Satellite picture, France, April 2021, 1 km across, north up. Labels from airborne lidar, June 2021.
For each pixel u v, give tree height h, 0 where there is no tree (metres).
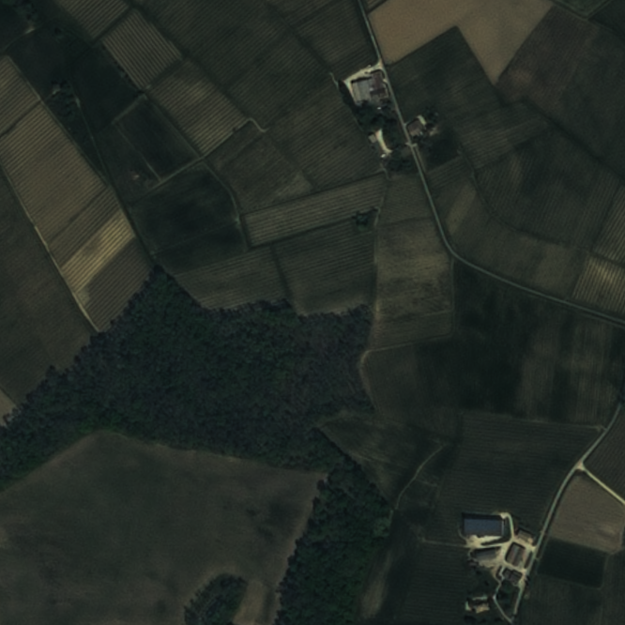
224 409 22
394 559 0
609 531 0
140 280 0
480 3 0
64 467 0
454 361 0
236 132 9
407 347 0
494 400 0
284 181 0
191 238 0
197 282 0
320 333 16
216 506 0
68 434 22
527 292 0
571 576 0
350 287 0
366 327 22
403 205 0
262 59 0
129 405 21
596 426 0
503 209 0
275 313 21
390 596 0
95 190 0
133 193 0
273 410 16
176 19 0
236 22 0
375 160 0
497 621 7
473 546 0
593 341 0
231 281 0
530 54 0
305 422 14
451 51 0
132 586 0
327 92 0
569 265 0
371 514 27
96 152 0
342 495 20
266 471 0
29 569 0
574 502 0
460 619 0
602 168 0
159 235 0
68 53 0
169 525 0
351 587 24
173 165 0
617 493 0
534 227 0
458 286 0
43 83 0
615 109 0
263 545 0
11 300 0
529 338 0
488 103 0
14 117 0
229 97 0
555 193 0
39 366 0
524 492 0
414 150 0
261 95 0
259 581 0
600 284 0
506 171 0
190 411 22
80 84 0
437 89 0
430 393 0
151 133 0
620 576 0
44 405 20
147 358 25
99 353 19
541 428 0
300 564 16
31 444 25
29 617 0
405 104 0
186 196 0
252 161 0
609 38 0
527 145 0
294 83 0
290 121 0
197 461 0
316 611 22
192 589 0
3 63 0
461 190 0
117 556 0
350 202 0
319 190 0
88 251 0
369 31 0
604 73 0
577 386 0
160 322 23
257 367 27
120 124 0
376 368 0
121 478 0
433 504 0
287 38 0
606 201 0
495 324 0
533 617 0
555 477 0
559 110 0
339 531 22
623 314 0
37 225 0
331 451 20
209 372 28
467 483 0
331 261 0
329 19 0
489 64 0
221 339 24
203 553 0
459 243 0
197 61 0
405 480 0
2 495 0
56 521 0
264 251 0
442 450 0
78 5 0
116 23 0
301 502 0
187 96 0
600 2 0
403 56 0
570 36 0
